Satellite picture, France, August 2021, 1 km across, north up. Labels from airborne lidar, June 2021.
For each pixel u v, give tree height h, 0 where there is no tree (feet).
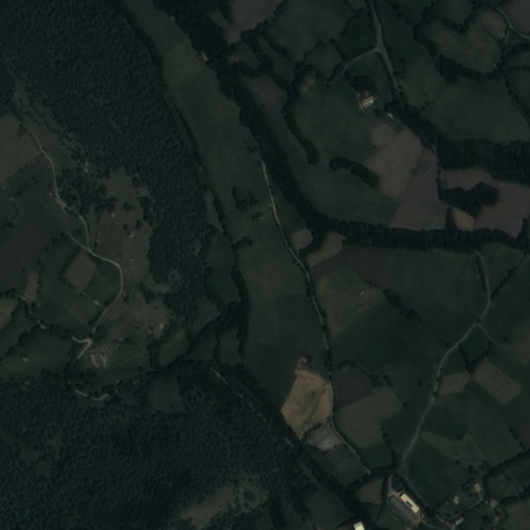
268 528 0
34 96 24
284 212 0
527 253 29
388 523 0
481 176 0
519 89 0
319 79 22
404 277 0
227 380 31
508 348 0
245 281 37
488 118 0
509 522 0
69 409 37
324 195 0
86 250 0
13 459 43
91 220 0
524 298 0
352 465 0
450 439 0
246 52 0
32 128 0
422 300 0
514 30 25
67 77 48
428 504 0
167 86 79
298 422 0
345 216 0
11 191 0
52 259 0
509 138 0
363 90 37
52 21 61
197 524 0
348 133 0
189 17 106
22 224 0
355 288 0
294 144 0
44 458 34
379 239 84
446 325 0
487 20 0
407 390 0
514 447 0
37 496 36
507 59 40
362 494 0
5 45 28
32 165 0
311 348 0
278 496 42
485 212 0
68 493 22
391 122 0
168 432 87
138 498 57
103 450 46
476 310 0
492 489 0
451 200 75
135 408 47
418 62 0
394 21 0
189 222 40
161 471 51
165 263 38
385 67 30
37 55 49
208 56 25
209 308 0
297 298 0
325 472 44
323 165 0
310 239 0
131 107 55
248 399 53
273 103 0
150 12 0
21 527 82
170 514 40
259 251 0
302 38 0
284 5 38
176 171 51
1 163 0
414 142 0
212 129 0
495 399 0
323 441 0
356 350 0
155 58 56
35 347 0
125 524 23
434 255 0
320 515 0
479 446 0
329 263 0
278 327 0
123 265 0
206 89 0
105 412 33
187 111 0
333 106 0
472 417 0
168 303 29
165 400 0
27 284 0
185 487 27
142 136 54
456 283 0
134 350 0
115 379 0
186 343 0
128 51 76
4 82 34
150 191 25
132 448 39
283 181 63
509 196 0
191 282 30
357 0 0
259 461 42
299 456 45
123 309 0
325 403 0
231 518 22
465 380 0
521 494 31
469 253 38
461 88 0
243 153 0
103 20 55
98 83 41
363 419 0
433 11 56
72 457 42
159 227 25
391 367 0
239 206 44
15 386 33
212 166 0
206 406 48
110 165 38
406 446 0
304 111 0
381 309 0
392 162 0
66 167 0
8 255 0
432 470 0
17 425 52
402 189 0
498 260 0
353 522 43
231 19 44
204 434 68
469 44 0
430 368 0
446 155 74
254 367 0
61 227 0
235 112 0
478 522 0
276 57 0
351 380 0
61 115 30
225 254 0
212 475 58
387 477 44
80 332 0
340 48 44
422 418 0
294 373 0
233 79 72
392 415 0
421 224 0
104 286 0
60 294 0
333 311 0
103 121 32
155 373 43
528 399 0
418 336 0
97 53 54
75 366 36
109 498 54
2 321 0
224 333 30
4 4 61
